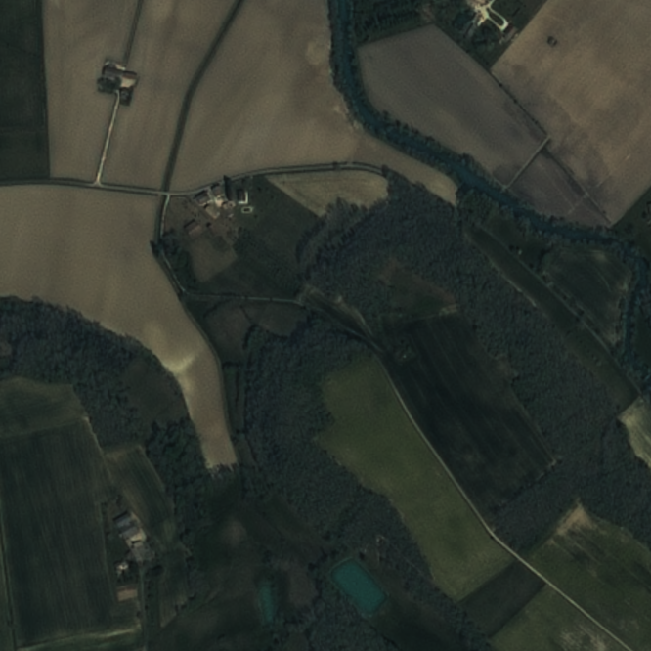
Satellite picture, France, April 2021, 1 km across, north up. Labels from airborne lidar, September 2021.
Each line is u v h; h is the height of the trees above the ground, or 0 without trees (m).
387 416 0
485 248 0
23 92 0
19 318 20
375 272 15
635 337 15
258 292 0
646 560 0
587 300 0
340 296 22
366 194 0
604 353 0
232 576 0
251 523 0
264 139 0
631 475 17
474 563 0
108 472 0
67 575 0
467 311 17
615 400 23
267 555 0
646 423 0
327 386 0
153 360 14
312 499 16
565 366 22
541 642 0
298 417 14
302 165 0
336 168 11
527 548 11
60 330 20
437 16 7
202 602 10
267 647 0
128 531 0
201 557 0
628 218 0
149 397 0
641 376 15
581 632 0
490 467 0
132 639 0
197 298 12
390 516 14
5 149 0
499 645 0
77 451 0
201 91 0
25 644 0
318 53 0
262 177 0
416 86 0
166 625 0
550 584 0
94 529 0
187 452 25
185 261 8
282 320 0
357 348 24
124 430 14
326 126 0
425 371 0
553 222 12
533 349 25
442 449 0
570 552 0
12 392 0
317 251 12
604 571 0
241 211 0
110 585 0
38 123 0
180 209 0
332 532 11
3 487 0
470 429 0
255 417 21
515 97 0
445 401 0
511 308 12
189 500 19
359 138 0
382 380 0
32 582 0
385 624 0
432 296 0
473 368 0
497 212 19
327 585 17
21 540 0
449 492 0
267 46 0
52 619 0
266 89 0
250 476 17
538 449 0
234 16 0
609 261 0
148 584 6
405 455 0
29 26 0
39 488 0
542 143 0
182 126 0
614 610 0
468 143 0
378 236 18
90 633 0
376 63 0
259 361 10
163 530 0
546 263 15
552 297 0
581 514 0
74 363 20
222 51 0
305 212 0
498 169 0
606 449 17
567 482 17
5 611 0
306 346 25
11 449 0
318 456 17
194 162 0
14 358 9
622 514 20
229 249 0
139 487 0
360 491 8
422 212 22
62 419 0
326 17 0
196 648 0
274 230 0
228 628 0
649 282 0
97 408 17
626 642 0
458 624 19
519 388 9
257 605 0
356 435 0
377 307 15
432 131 0
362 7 19
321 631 17
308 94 0
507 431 0
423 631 0
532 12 0
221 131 0
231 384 0
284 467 20
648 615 0
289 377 20
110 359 16
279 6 0
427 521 0
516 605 0
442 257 20
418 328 0
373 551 12
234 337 0
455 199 0
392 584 0
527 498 15
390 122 11
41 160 0
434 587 11
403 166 0
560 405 21
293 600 0
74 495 0
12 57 0
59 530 0
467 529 0
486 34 11
